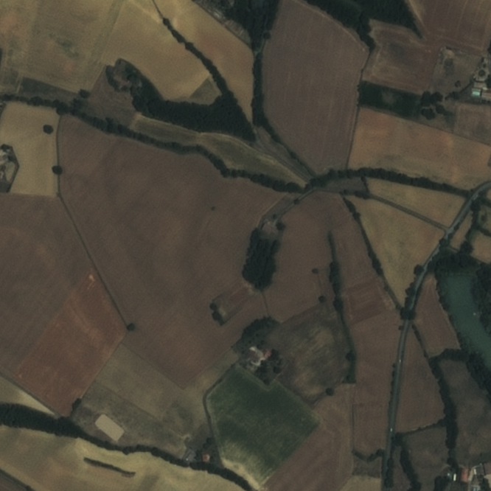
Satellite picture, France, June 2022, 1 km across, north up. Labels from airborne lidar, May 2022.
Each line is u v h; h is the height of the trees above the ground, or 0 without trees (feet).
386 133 0
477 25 0
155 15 0
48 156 0
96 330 0
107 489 0
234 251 0
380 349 0
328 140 0
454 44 0
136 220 0
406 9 47
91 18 0
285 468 0
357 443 0
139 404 0
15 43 0
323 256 0
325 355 0
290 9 0
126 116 0
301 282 0
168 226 0
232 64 0
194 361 0
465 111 0
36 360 0
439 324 0
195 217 0
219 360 0
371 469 0
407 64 0
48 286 0
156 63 0
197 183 0
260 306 0
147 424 0
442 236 0
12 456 0
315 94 0
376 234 0
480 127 0
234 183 0
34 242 0
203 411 0
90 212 0
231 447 0
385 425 0
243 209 0
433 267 46
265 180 63
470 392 0
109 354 0
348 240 0
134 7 0
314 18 0
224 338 0
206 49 0
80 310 0
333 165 0
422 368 0
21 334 0
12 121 0
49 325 0
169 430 0
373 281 0
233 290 0
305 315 0
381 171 57
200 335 0
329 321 0
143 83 25
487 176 0
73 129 0
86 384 0
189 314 0
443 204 0
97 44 0
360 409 0
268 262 52
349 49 0
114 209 0
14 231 0
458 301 0
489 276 49
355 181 0
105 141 0
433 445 0
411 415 0
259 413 0
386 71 0
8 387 0
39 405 0
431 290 0
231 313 0
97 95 0
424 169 0
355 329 0
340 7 32
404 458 48
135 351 0
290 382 0
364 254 0
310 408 0
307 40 0
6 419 48
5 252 0
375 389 0
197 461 28
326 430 0
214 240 0
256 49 57
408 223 0
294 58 0
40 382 0
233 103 58
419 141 0
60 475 0
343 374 0
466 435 0
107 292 0
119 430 0
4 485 0
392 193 0
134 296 0
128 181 0
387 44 0
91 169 0
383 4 29
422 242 0
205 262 0
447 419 46
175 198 0
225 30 0
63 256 0
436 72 0
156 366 0
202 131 40
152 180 0
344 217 0
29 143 0
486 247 0
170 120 67
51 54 0
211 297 0
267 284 52
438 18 0
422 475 0
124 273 0
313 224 0
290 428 0
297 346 0
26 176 0
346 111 0
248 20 61
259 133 0
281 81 0
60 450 0
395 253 0
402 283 0
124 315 0
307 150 0
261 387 0
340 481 0
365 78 0
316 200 0
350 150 0
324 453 0
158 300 0
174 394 0
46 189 0
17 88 0
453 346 0
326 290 0
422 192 0
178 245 0
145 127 0
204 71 0
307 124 0
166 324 0
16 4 0
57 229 0
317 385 0
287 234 0
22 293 0
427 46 0
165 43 0
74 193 0
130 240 0
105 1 0
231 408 0
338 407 0
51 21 0
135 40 0
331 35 0
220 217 0
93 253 0
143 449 40
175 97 0
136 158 0
